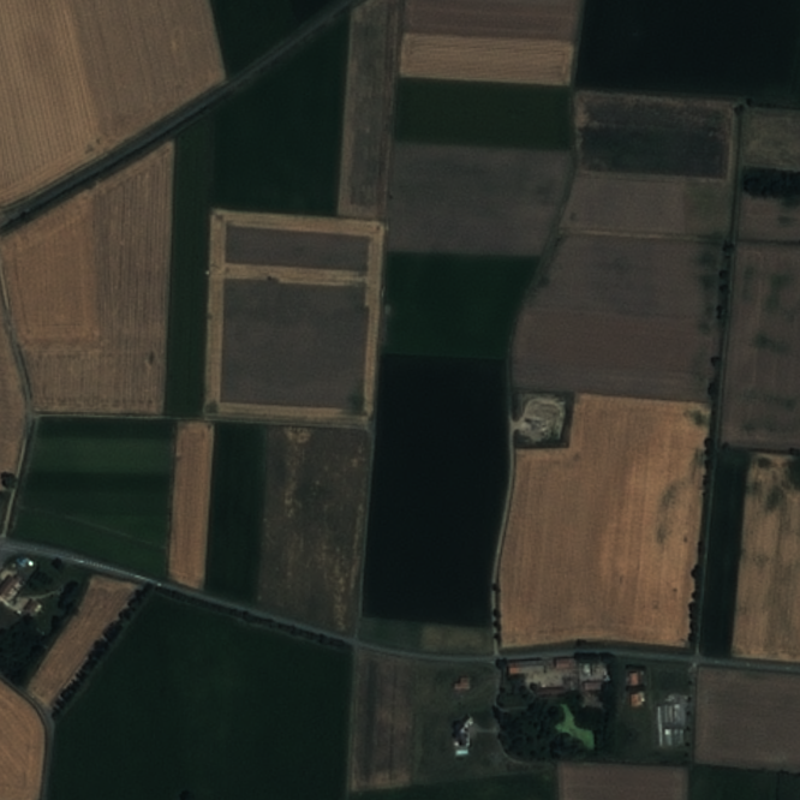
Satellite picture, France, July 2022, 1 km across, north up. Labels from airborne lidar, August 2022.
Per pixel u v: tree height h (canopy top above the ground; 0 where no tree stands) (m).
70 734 0
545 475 0
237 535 0
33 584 6
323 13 0
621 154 0
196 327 0
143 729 0
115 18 0
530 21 0
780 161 0
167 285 0
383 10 0
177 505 0
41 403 0
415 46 0
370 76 0
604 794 0
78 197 0
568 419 0
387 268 0
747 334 0
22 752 0
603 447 0
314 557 0
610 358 0
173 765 0
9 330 0
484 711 0
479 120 0
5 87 0
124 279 0
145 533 0
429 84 0
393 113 0
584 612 0
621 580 0
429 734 0
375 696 0
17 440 0
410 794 0
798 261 0
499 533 0
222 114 0
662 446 0
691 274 0
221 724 0
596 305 0
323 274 0
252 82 0
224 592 0
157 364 0
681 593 0
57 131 0
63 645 0
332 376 0
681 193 0
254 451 0
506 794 0
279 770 0
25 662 7
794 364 0
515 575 0
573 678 0
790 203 0
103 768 0
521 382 0
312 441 0
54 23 0
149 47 0
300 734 0
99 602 0
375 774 0
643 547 0
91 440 0
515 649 0
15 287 0
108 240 0
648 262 0
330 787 0
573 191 0
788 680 0
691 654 0
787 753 0
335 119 0
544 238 0
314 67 0
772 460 0
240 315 0
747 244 0
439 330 0
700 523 0
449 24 0
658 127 0
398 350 0
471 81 0
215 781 0
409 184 0
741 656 0
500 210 0
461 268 0
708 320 0
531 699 14
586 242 0
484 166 0
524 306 0
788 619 0
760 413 0
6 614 0
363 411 0
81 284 0
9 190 0
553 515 0
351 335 0
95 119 0
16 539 0
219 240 0
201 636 0
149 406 0
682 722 0
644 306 0
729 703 0
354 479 0
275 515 0
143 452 0
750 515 0
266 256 0
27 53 0
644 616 0
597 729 6
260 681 0
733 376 0
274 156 0
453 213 0
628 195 0
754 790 0
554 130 0
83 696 0
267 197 0
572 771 0
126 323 0
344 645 10
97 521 0
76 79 0
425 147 0
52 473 0
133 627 0
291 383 0
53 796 0
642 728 0
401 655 0
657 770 0
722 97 0
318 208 0
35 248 0
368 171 0
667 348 0
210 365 0
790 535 0
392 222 0
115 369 0
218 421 0
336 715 0
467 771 0
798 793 0
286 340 0
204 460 0
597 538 0
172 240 0
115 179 0
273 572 0
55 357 0
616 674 11
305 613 0
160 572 0
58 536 0
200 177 0
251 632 0
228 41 0
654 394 0
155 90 0
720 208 0
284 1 0
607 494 0
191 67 0
